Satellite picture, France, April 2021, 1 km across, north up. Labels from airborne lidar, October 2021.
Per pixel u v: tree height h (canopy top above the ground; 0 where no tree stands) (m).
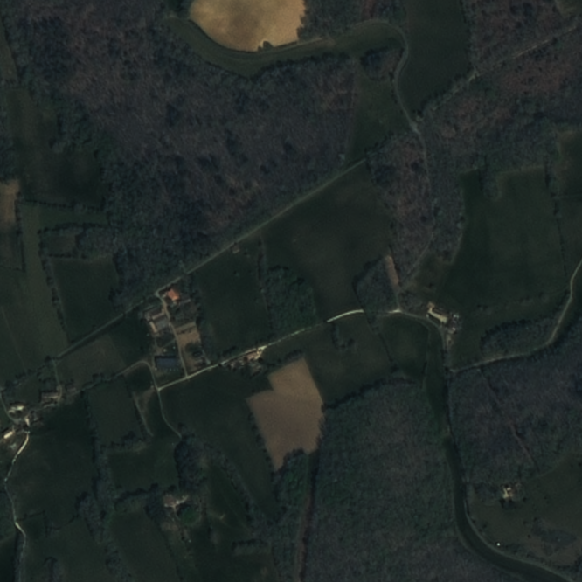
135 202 27
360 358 0
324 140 17
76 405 0
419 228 12
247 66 0
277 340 18
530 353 14
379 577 19
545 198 0
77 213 18
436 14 0
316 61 14
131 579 13
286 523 22
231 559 0
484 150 22
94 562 0
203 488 21
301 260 0
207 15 0
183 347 0
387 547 23
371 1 0
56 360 8
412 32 0
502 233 0
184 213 25
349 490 26
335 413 17
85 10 16
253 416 7
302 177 8
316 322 19
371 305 22
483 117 19
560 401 18
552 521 0
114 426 0
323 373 0
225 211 20
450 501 17
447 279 0
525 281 0
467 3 14
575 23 15
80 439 0
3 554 0
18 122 0
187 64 23
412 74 0
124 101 11
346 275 0
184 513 18
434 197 13
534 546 0
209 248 25
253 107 19
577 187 0
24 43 19
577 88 10
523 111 21
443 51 0
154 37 21
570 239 0
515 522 0
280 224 0
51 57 30
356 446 27
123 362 0
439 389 0
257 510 14
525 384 18
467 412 19
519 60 6
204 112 13
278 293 22
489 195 17
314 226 0
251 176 14
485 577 14
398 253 18
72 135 20
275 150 14
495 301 0
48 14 9
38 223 0
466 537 0
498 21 14
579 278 0
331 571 24
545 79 7
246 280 0
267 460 9
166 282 19
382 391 20
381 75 16
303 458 21
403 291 17
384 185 25
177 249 25
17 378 7
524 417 21
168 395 0
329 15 15
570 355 20
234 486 8
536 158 23
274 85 19
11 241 0
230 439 0
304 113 16
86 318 0
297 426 0
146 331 0
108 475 12
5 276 0
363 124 0
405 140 10
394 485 20
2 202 0
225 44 0
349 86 13
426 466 19
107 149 21
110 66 13
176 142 15
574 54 9
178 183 21
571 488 0
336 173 17
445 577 14
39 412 0
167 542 5
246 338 0
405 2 10
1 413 0
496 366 14
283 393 0
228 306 0
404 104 0
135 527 0
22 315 0
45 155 0
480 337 0
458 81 12
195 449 23
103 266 0
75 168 0
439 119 14
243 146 14
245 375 12
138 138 13
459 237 17
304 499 18
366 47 0
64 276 0
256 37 0
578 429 19
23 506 0
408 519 24
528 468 22
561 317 15
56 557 0
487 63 16
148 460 0
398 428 20
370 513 22
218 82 28
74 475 0
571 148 0
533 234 0
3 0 22
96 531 18
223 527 0
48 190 0
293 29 0
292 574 20
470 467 22
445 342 0
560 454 13
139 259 23
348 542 22
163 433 0
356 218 0
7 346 0
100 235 16
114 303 17
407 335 0
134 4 15
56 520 0
